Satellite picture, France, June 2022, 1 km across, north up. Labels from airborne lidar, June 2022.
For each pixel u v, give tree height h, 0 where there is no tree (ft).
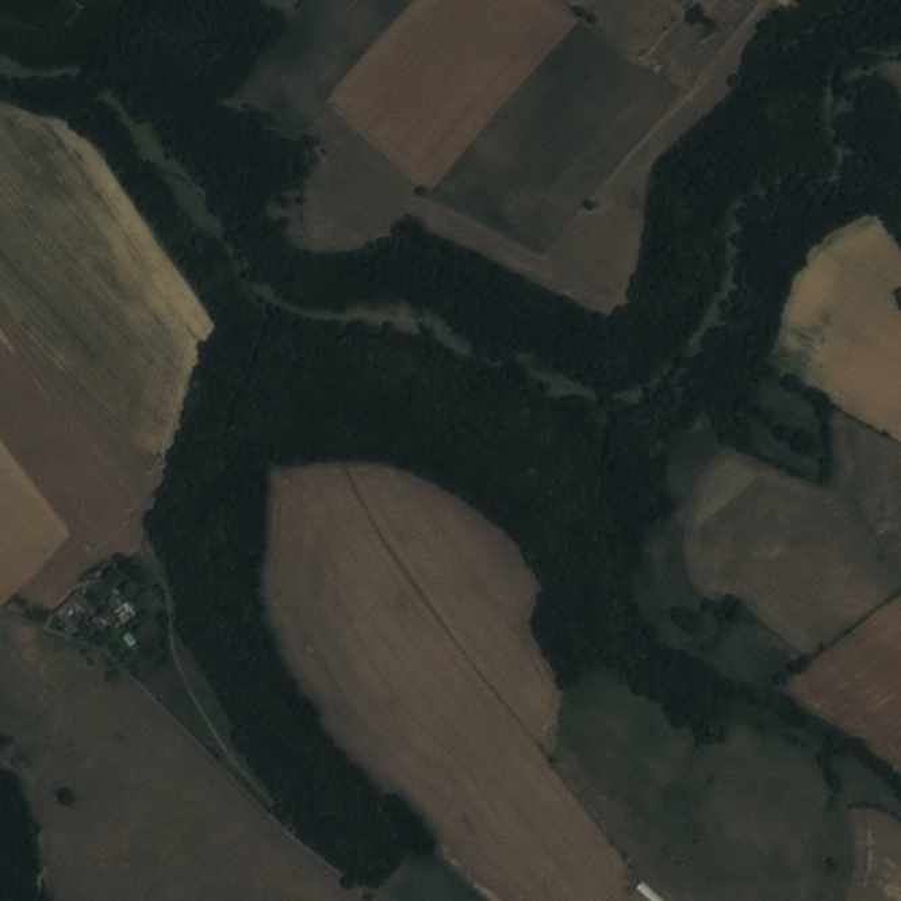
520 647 0
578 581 60
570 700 0
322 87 0
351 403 54
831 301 0
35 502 0
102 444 0
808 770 0
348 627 0
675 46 0
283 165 74
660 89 0
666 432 67
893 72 0
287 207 47
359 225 0
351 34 0
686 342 87
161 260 0
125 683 0
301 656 0
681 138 23
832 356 0
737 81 55
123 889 0
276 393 50
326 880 0
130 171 67
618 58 0
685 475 0
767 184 89
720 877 0
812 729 94
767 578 0
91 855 0
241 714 44
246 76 44
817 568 0
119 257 0
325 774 59
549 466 59
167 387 0
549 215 0
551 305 28
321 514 0
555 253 0
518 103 0
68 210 0
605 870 0
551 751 0
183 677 0
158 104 78
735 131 61
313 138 55
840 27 67
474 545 0
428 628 0
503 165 0
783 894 0
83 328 0
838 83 63
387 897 0
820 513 0
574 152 0
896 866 0
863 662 0
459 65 0
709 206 75
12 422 0
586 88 0
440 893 0
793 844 0
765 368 64
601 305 0
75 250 0
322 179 0
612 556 87
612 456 83
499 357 77
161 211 67
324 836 63
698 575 0
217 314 62
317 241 0
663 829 0
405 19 0
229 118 67
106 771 0
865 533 0
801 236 67
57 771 0
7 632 0
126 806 0
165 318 0
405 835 84
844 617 0
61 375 0
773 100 55
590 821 0
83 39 22
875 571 0
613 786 0
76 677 0
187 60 52
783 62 67
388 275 90
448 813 0
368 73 0
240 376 56
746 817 0
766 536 0
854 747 65
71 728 0
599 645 75
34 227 0
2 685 0
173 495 46
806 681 0
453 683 0
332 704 0
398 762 0
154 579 0
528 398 52
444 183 0
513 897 0
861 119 72
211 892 0
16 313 0
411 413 57
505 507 39
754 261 99
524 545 24
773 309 73
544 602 58
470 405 65
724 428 60
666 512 59
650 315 67
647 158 0
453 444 47
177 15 102
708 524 0
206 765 0
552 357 77
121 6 36
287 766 60
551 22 0
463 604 0
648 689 56
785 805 0
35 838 34
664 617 0
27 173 0
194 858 0
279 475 0
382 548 0
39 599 0
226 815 0
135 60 71
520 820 0
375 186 0
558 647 52
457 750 0
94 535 0
